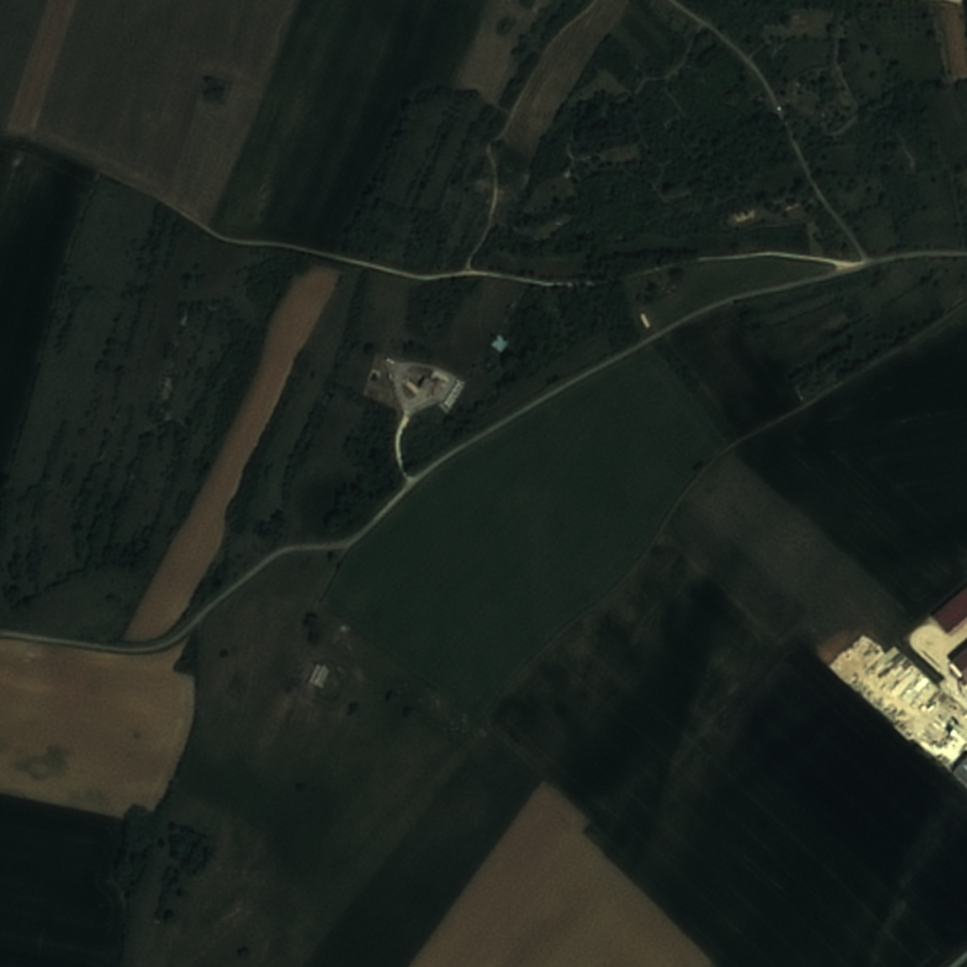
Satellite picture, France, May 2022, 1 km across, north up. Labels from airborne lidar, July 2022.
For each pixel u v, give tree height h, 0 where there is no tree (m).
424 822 0
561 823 0
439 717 0
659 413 0
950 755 0
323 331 0
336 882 0
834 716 0
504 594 0
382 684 0
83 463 0
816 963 0
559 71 0
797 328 0
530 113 0
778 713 0
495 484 0
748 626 0
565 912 0
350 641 0
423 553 0
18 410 0
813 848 0
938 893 0
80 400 0
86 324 0
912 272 0
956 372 0
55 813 0
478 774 0
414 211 6
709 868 0
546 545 0
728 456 0
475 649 0
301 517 0
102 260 0
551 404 0
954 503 0
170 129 0
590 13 0
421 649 0
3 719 0
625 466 0
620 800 0
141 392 0
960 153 0
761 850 0
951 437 0
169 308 0
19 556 9
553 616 0
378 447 7
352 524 8
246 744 0
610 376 0
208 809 0
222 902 0
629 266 16
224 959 0
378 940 0
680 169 5
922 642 0
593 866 0
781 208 7
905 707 0
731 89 6
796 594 0
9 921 0
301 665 0
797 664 0
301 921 0
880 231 0
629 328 15
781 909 0
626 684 0
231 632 0
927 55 0
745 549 0
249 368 6
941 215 0
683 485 0
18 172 0
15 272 0
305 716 0
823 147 8
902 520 0
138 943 0
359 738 0
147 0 0
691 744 0
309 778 0
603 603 0
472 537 0
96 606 0
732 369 0
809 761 0
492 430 0
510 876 0
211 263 0
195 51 0
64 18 0
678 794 0
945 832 0
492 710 0
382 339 0
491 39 0
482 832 0
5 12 0
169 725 0
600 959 0
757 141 8
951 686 0
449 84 0
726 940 0
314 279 0
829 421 0
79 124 0
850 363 8
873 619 0
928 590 0
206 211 0
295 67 0
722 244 0
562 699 0
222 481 0
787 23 14
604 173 6
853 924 0
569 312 8
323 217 0
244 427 0
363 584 0
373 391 0
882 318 0
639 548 0
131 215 0
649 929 0
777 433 0
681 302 0
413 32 0
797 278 0
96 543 10
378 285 0
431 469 0
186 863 14
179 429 6
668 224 5
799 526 0
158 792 0
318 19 0
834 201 7
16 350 0
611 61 6
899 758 0
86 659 0
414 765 0
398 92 0
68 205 0
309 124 0
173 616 0
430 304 5
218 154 0
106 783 0
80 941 0
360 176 0
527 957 0
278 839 0
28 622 0
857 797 0
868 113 14
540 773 0
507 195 0
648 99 6
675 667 0
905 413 0
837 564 0
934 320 8
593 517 0
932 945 0
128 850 10
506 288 0
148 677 0
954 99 0
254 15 0
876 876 0
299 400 0
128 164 0
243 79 0
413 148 0
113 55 0
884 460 0
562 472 0
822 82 12
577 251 14
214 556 0
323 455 0
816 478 0
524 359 14
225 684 0
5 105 0
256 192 0
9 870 0
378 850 0
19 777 0
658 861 0
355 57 0
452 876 0
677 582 0
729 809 0
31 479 0
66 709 0
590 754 0
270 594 0
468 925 0
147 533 6
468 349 0
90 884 0
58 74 0
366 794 0
